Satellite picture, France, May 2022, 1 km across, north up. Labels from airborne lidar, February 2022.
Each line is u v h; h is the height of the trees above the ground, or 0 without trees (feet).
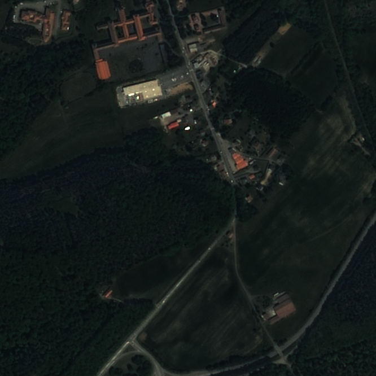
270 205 0
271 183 37
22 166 0
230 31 0
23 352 122
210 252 0
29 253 103
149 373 31
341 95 0
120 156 77
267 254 0
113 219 76
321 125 0
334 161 0
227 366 44
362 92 45
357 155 0
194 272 0
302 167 0
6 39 29
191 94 0
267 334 0
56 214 97
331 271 0
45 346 79
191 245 79
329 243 0
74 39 0
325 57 0
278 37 0
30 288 95
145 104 0
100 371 0
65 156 0
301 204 0
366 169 0
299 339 0
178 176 59
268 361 52
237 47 71
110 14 0
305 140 0
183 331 0
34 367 123
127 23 23
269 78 74
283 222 0
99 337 71
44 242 94
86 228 99
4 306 103
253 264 0
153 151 90
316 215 0
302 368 84
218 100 40
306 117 30
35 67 110
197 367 0
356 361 83
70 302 110
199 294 0
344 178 0
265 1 62
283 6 48
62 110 0
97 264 85
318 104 0
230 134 0
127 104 0
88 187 91
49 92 0
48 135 0
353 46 0
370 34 0
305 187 0
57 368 89
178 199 82
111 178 85
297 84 0
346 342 66
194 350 0
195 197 70
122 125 0
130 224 96
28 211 87
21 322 116
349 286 92
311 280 0
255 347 0
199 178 82
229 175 0
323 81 0
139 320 67
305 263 0
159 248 31
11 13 28
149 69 0
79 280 100
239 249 0
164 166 74
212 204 64
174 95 0
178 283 0
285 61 0
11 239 79
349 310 33
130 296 0
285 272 0
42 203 80
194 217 59
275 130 47
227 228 0
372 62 0
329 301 41
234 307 0
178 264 0
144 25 0
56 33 0
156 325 0
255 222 0
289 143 0
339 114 0
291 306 0
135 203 82
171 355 0
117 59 0
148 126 0
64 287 111
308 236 0
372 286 88
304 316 0
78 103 0
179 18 48
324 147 0
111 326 76
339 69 41
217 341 0
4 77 94
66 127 0
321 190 0
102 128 0
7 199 96
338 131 0
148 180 81
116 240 77
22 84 89
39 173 0
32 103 119
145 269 0
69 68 105
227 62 59
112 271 88
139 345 0
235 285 0
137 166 85
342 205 0
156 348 0
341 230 0
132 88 0
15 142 69
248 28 68
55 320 76
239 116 71
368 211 0
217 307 0
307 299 0
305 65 0
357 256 44
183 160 62
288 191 0
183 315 0
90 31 0
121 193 81
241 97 38
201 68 0
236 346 0
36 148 0
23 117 130
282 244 0
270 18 84
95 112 0
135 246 108
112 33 0
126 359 0
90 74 0
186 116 23
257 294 0
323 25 70
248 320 0
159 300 0
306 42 0
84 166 88
